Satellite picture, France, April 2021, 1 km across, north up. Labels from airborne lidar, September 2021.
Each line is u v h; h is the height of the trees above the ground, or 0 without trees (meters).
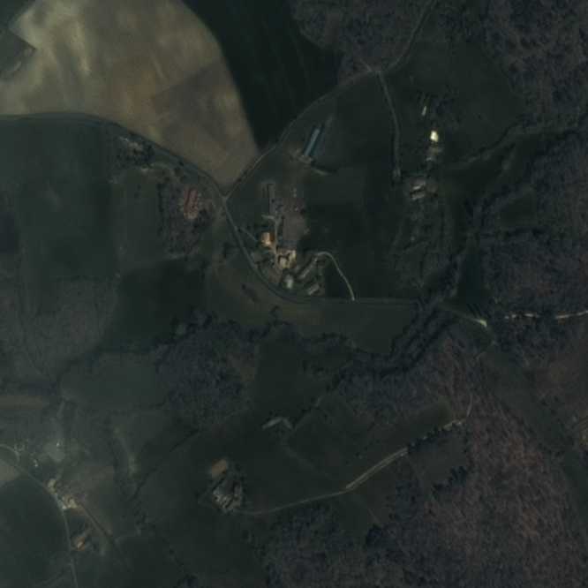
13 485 0
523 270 21
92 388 0
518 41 19
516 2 12
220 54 0
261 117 0
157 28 0
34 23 0
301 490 0
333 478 0
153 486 0
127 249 0
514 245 22
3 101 0
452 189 0
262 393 0
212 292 0
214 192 0
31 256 0
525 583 17
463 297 0
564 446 0
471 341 16
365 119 0
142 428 0
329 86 0
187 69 0
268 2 0
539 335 14
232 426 0
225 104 0
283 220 7
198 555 0
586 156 11
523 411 0
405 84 0
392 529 12
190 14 0
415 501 8
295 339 18
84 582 0
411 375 23
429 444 13
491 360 0
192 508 0
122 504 0
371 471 0
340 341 16
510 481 12
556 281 17
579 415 0
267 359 0
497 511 10
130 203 0
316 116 0
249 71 0
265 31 0
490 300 0
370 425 0
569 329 9
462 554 12
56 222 0
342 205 0
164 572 0
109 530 0
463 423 13
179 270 0
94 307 12
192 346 23
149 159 16
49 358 16
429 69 0
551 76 17
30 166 0
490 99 0
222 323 24
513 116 0
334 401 0
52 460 0
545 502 16
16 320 10
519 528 8
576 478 0
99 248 0
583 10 15
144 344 0
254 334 15
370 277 0
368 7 8
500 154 0
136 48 0
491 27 17
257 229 9
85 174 0
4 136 0
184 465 0
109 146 11
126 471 14
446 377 17
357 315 0
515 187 0
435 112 9
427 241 8
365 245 0
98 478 0
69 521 0
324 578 9
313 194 0
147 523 13
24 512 0
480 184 0
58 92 0
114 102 0
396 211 0
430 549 8
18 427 13
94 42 0
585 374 0
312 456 0
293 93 0
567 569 10
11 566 0
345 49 11
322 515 12
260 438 0
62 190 0
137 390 0
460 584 11
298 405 0
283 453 0
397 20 11
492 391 18
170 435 0
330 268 0
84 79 0
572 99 20
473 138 0
